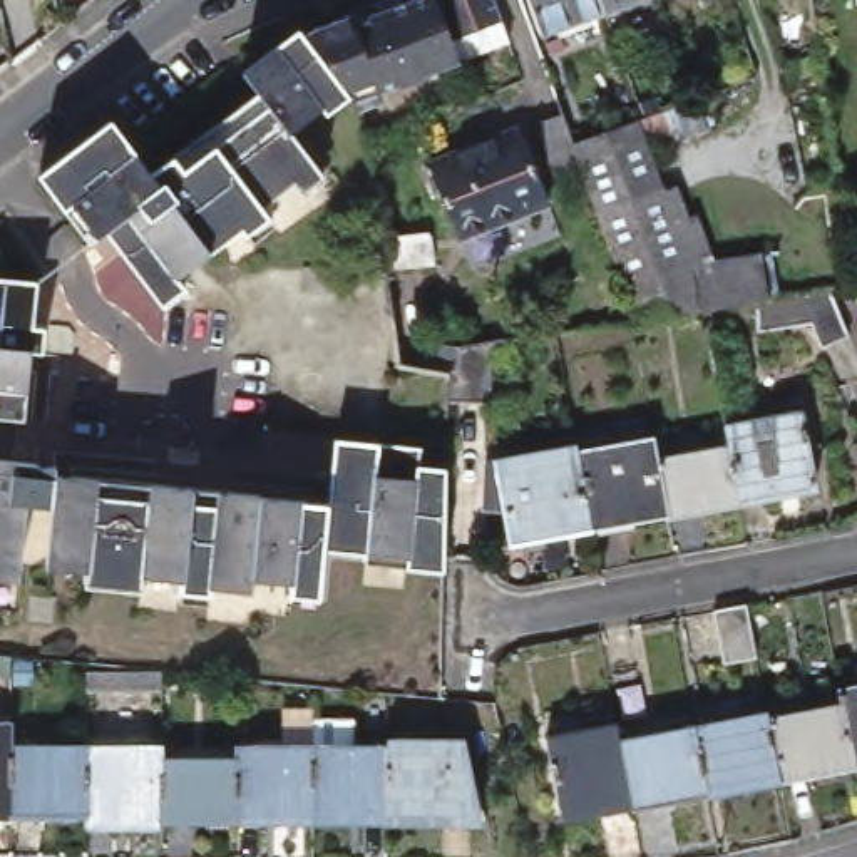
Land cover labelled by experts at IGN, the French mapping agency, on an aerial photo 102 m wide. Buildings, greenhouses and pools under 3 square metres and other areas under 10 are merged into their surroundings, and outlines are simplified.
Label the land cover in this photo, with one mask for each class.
<instances>
[{"label":"building","instance_id":"1","mask_svg":"<svg viewBox=\"0 0 857 857\"><path fill-rule=\"evenodd\" d=\"M352 7L345 17L311 27L308 33H288L275 50H268L254 67L244 70L251 97L241 107H234L218 127H211L201 137V144L187 151L194 157L191 164L167 161L147 171L131 137L117 124H100L94 134H87L80 144H74L67 154H60L50 167L37 174V187L47 198L40 218H64L84 244L110 234L131 254V261L141 268L151 288L164 298L191 278L208 275V248L234 238L238 231H244L251 244H258L268 231H278L271 214L281 191L311 184H325L328 191V174L298 141V131L318 117H335L338 110L352 107L348 87L395 84L408 97L418 94L425 84H439V74L459 70L462 60H469L475 50L489 54L505 47V27L516 20V0H348ZM653 0H582L579 23H569L562 33L569 44L579 47H596L606 40L599 23L616 20L629 10H649ZM556 114L549 104L526 107L482 110L465 117L462 127L445 137V147L429 154L425 161V167L435 177V191L449 211L452 238H472L482 234L492 244L505 231L512 234L516 218H526L529 224L542 221V208L552 204V164L546 154L542 127ZM649 131L643 121H633L606 134L572 141L569 161H582L593 171V191L596 218L606 231L613 261H619V264H626V268L633 271V281H636V298L639 305L666 301L676 315H700L706 325V315L736 311L753 325L757 335L800 331L807 335L810 348L820 355H830L840 378L857 375V298L837 301L834 291L820 288L783 295L777 251L713 258L700 221L686 214V204L673 187H663L659 174L646 167ZM432 238H402L395 258L398 268H432ZM47 325H40V281H0V422L27 425L30 368L40 358H50L40 348V335ZM723 445L670 459L659 452V442L653 435L499 459L495 492L505 542V552H526L546 549L552 542L593 539L633 536L646 529L656 516H666V522L700 519L763 505L783 499L800 502L820 492V485H813L810 479L813 465L810 442L803 435V415L790 412L736 422L726 425ZM328 499L281 502L218 489H167L117 479H60L54 465L44 462H0V589H20L27 566L20 552L37 509H47L54 516L50 556L54 562H77L84 569V593L90 596H124L127 589H137L144 582H171L187 586L191 593L248 596L254 586H281L298 589L291 606H325L331 562H362V572L372 566H385L402 569L405 579H435L449 576L445 469L425 465L422 445L335 439L328 465ZM33 670L27 659H0V686H30ZM164 683L161 676L157 673H87V696L94 700L100 690H151ZM857 773V683L844 686L840 700L820 710L787 716L757 713L636 740H623L616 726H596L549 736L546 753V770L552 800L562 807L556 817V824L566 827L582 820L603 824V817L623 813L629 803L686 797L723 800L790 787L797 780L810 790L813 783ZM285 730L275 747H238L228 760H167L164 747H20L13 720L0 723V820L10 813L17 820H40L47 827L74 824L87 827L90 834L161 827H187L194 834L201 827L261 830L268 820H275L278 827H285L288 820H301L308 830H442L449 824L469 830L485 824L482 810L465 743L388 740L382 747H358L355 720L325 716H318L315 710H285Z\"/></svg>","mask_w":857,"mask_h":857},{"label":"impervious surface","instance_id":"2","mask_svg":"<svg viewBox=\"0 0 857 857\"><path fill-rule=\"evenodd\" d=\"M352 7L348 0H60L54 7V17L64 23L57 30H44L33 27V7L27 0H0V281H40V325H47L40 335V348L50 358L54 402L60 408H70L74 398H94L110 378H117L121 392L164 395L174 378L214 372V412H251L264 402L268 392H278V362L258 348L221 352V335H228L231 328V311L224 305L198 301L214 291V285H231L271 268H308L325 254V241L305 218L325 204L328 191L325 184H311L281 191L271 214L278 231H268L258 244H251L244 231H238L234 238L208 248V275L191 278L164 298L151 288L141 268L131 261V254L110 234L84 244L64 218H40L47 198L37 187V174L50 167L60 154H67L74 144H80L87 134H94L100 124H117L131 137L147 171L167 161L191 164L194 157L187 151L201 144V137L211 127H218L234 107H241L251 97L244 70L254 67L268 50H275L288 33H308L311 27L345 17ZM582 0H516V20L505 27V47L519 50L522 84H512V90L526 107L549 104L556 114L542 127L546 154L552 164L569 161L572 141L606 134L599 124L582 121L579 104L556 97L546 60H562L579 47L569 44L562 33L569 23H579ZM352 107L368 114L395 110L408 100V97L395 84L348 87ZM643 121L649 131H670L680 151L703 147L723 137V127L716 121L659 110ZM552 204L542 208V221L529 224L526 218H516L512 234L505 231L492 244L482 234L472 238V258H489L492 251L505 254L509 248L512 254H519L552 241ZM485 402H469V408L455 415V465L445 469L449 576L435 579V636H429L425 649H418V670L412 673V680L422 690L435 693V700H445V693L452 690H472L469 696L479 713L482 733L489 750L499 740L502 726L519 723V706H502L495 693L485 690V663H505L509 656L532 646L603 633L609 659L603 663V680L593 690H569L552 706L542 703V696L529 703L536 716V747L546 753L549 736L596 726H616L623 740H636L757 713L787 716L820 710L840 700L844 686L857 683V516L844 529H813L790 539H773L777 519L767 516L763 505L700 519L706 526V542L696 546L670 539L666 522V516H656L646 529L633 536L593 539L599 556V576H562L529 589L505 586L499 576L472 566V532L485 542H505L495 492L499 459L485 455L489 442L482 408ZM817 593H844L834 603V613H840V633L847 646L834 649L830 666L824 659H813L810 670H803L800 663H773L770 673H750L740 690H710L696 680L693 663L700 656H720L726 666L757 659L753 629H760V613H750V606H773ZM680 619L683 670L690 690L653 693L643 626H666ZM54 516L47 509H37L20 552L27 566L40 562L50 556ZM365 586L398 589L405 579L402 569L385 566H372L362 572ZM137 589L141 606L204 609L208 619L231 626L244 623L251 613H285L291 606L298 589L281 586H254L248 596L191 593L187 586L171 582H144ZM151 690H100L94 700L97 710L134 716L137 710L151 706ZM800 827L790 834H777V844H760L747 850H730V834L723 830V800L686 797L629 803L623 813L603 817V824L609 857H857V797H850L854 817L847 824L820 830L810 790L797 780L790 787ZM47 827L40 820H17L10 813L0 820V857H67L44 854L40 837ZM308 830L301 820H288L285 827H278L275 820H268L261 830L258 857H315L305 847ZM432 857H469V830L449 824L442 830V850H432ZM191 850H208V840H198L194 834L187 827H161L90 834V844L80 857H191ZM358 857H388L385 847L398 840V830H335Z\"/></svg>","mask_w":857,"mask_h":857},{"label":"pervious surface","instance_id":"3","mask_svg":"<svg viewBox=\"0 0 857 857\"><path fill-rule=\"evenodd\" d=\"M33 7V27L44 30H57L64 23L54 17V7L60 0H27ZM747 33L757 47L760 70L750 64L723 67V74L730 97L723 117L716 121L723 127V137L703 147L680 151V167L659 174L663 187H673L686 204L696 198L693 184L723 174L770 184L790 208H797L807 194L810 154L803 141V121H790L787 100L780 90V60L770 47L757 0H750ZM432 268H398V275L385 285H358L352 298H335L308 268H271L231 285H214V291L198 301L224 305L231 311V328L228 335H221V352L258 348L278 362V392H268L264 402L251 412H214V372L174 378L164 395L121 392L117 378H110L94 398H74L70 408H60L54 402L50 358H40L30 368L27 425L0 422V462H44L54 465L60 479H117L167 489H218L281 502L328 499V465L335 439L422 445L425 465L445 469L455 465V415L469 408V402H485L492 378H499L492 368V348L499 345L505 338V328L485 321L479 301L469 295L482 278L492 275L489 258H472V238H432ZM415 315L432 325L459 318L472 338L452 341L442 352H418L408 338V325L415 321ZM820 355L810 348L807 355H780L770 368H757L760 385L770 388L793 375H803L807 365H813ZM810 479L813 485H820V492L800 502V512L834 509L827 469L824 462L813 465ZM670 539L696 546L706 542V526L700 519L666 522ZM57 586L84 582V569L77 562H54L50 556L40 562ZM137 589H127L124 596H90L87 609L70 613V629L80 646H90L100 656L164 659L157 673L161 676H198L211 663L224 659L231 670H241L248 680L258 683L261 670L315 680L335 676L331 690H341V700L331 703L325 716L355 720L358 747H382L388 740L465 743L469 736L482 733L479 713L469 696L472 690H452L445 693V700H435V693L422 690L412 680V673L418 670V649H425L429 636H435V579H405L398 589L365 586L362 572V562H331L325 606H291L285 613H251L244 623L231 626L208 619L204 609L141 606ZM54 629V603L44 596L30 599L27 616H17V626H0V639L33 646Z\"/></svg>","mask_w":857,"mask_h":857},{"label":"herbaceous vegetation","instance_id":"4","mask_svg":"<svg viewBox=\"0 0 857 857\"><path fill-rule=\"evenodd\" d=\"M673 0H653L649 10H629L616 20L623 30H639L643 37L663 40L676 57L673 77L690 90L723 74V67L713 27H703L696 17L676 20L670 7ZM780 30L790 44L780 57H807L810 50L800 40V33L807 37L824 30H850L857 47V0H787L780 13ZM556 97L579 104L596 100L609 80H616L606 40L596 47H579L562 60H546ZM847 147L837 151L844 171L830 191L807 194L797 208H790L770 184L723 174L693 184L696 198L686 204V214L700 221L713 258L777 251L783 295L820 288L834 291V258L827 251L830 224L857 228V60L850 67V87L844 97ZM817 80L803 77L800 90L787 100L790 121H803L800 114L813 104ZM412 110L408 100L395 110L368 114L352 107L338 110L335 117H318L298 131V141L328 174V191L325 204L335 214L358 211L372 224H385L402 238H452L449 211L435 191V177L425 167V161H398L392 171H368L365 164H358L362 131H388ZM552 241L519 254H512L509 248L505 254L492 251L489 258L492 275L482 278L469 295L479 301L485 321L505 328L519 321L505 295L509 275L516 268H529L532 258L552 251L572 254L576 288L569 301L579 311H629L639 305L636 298H629V295H613V291H609V261H613L606 231L596 218L593 191L579 204L552 208ZM713 331L706 325L700 315H676L670 318L663 335L626 338L619 325H596L576 331H566L562 341L552 345L549 365L552 378L559 382V395H549L546 408L536 418L489 442L485 455L499 459L653 435L659 442V452L670 459L723 445L726 425L736 422L790 412L803 415L817 408V395L803 375H793L770 388L760 385L753 388L747 408L733 412L726 405V392L716 385L713 372ZM844 593H817L773 606H750V613H760V629H753L757 659L726 666L720 656H700L693 663L696 680L710 690H740L750 673H770L773 663H800L803 670H810L813 659H824L830 666L834 649L847 646L840 633V613H834V603ZM680 619L666 626H643L653 693L690 690L683 670ZM27 659L33 670L30 686H0V723L13 720L20 747H164L167 760H228L238 747H275L285 730V710H315L318 716H325L331 703L341 700V690H331L335 676L315 680L261 670L258 683L251 693H231L228 700L204 703L201 693L177 696L174 683H164L151 690V706L137 710L134 716L97 710L94 700L87 696V673H157L164 659L100 656L90 646H80L70 629H54L33 646L0 639V659ZM609 659L603 633L532 646L509 656L505 663H485V690L495 693L502 706H519L529 703L542 696V703L552 706L569 690H593L603 680V663ZM529 803L536 817H556L562 807L552 800L546 770H529V777L509 797L482 810L485 824L469 830V857H502V844L509 840L516 807ZM850 797H857V773L813 783L810 790L820 830L847 824L854 817ZM800 827L790 787L723 800V830L730 834V850H747L760 844H777V834H790ZM556 857H609L603 824L582 820L566 827V840ZM432 850H442V830H398V840L385 847L388 857H432Z\"/></svg>","mask_w":857,"mask_h":857},{"label":"brushwood","instance_id":"5","mask_svg":"<svg viewBox=\"0 0 857 857\"><path fill-rule=\"evenodd\" d=\"M750 0H673L670 7L676 20L696 17L703 27H713L723 67L750 64L760 70L757 47L747 33ZM770 47L780 60V90L787 100L800 90L803 77L817 80L813 104L800 114L803 121V141L810 154L807 194L830 191L844 171L837 151L847 147L844 97L850 87V67L857 60V47L850 30H824L807 37L800 33V40L810 50L807 57H780L790 44L780 30V13L787 0H757ZM512 84H522L519 50L505 47L489 54L475 50L469 60H462L459 70L439 74V84H425L418 94L408 97V100L412 110L388 131H362L358 164H365L368 171H392L398 161H425L429 154L445 147V137L462 127L465 117L482 110L526 107L512 90ZM730 97L723 74L690 90L673 77L666 90H643L639 84L616 80H609L596 100L579 104L582 121L599 124L606 134L633 121H643L659 110L716 121L723 117ZM646 167L659 174L680 167V151L670 131H649ZM593 191V171L582 161H569L552 164V208L579 204ZM609 291H613V295H629V298H636V281H633V271L626 268V264H619V261H609ZM676 315L666 301L639 305L629 311H579L569 321L576 331L596 325H619L626 338L663 335L670 318ZM713 331V372L716 385L726 392V405L733 412L747 408L753 388L760 385L757 368H770L780 355H807L810 348L807 335L800 331L757 335L753 325L736 311L706 315V325ZM566 331L532 335L526 341L529 362L522 365L516 348L499 345L492 348V368L499 378H492L485 402L482 408L489 442L536 418L546 408L549 395H559V382L552 378L549 365L552 345L562 341ZM817 395V408L803 415V435L810 442L813 465L824 462L827 469L834 509L800 512V502L783 499L763 505L767 516L777 519L773 539H790L813 529H844L857 516V375L840 378L830 355H820L813 365H807L803 375ZM472 566L499 576L505 586L529 589L562 576H599V556L593 539L552 542L546 549L526 552H505V542H485L472 532ZM44 596L54 603V629H70V613L87 609L90 596L84 593V582L57 586L40 562L27 566L20 589H0V626H17V616H27L30 599ZM164 683H174L177 696L201 693L204 703L228 700L231 693H251L258 683L248 680L241 670H231L224 659L211 663L198 676H161ZM482 810L509 797L529 777V770H546V753L536 747V716L529 703L519 706V723L502 726L499 740L489 750L482 733L469 736L465 743ZM566 840V827L556 824V817H536L529 803L516 807L509 840L502 844V857H556ZM90 844V834L87 827L74 824L47 827L40 837L44 854L67 857H80ZM198 840H208V850H191V857H258L261 830L201 827L194 834ZM305 847L315 857H358L335 830H308Z\"/></svg>","mask_w":857,"mask_h":857},{"label":"deciduous trees","instance_id":"6","mask_svg":"<svg viewBox=\"0 0 857 857\"><path fill-rule=\"evenodd\" d=\"M606 40L616 80L639 84L643 90H666L673 77L676 57L663 40L643 37L639 30H623L616 20L599 23ZM325 241V254L308 268L335 298H352L358 285H385L398 275V268L395 258L402 238L385 224H372L358 211L335 214L325 204L305 218ZM827 251L834 258V291L837 301L857 298V228L830 224ZM576 288L572 254L552 251L532 258L529 268H516L509 275L505 295L519 321L505 328V338L499 345L516 348L522 365L529 362L526 341L532 335L566 331H576L569 321L579 311L569 301ZM408 338L418 352H442L452 341L472 338L459 318L432 325L415 315V321L408 325Z\"/></svg>","mask_w":857,"mask_h":857}]
</instances>
